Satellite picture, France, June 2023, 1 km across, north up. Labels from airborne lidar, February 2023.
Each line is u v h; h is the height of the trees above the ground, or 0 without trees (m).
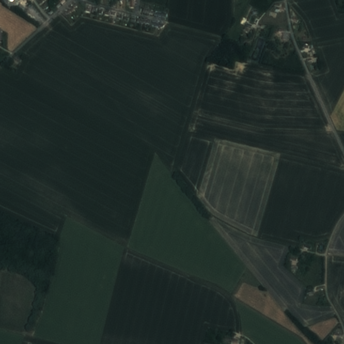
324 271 9
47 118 0
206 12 0
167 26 0
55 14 0
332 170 0
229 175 0
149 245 0
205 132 0
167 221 0
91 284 0
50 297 0
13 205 0
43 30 0
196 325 0
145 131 0
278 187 0
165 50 0
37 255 25
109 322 0
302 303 0
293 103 0
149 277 0
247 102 0
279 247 0
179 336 0
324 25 0
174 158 0
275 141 0
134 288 0
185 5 0
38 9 0
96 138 0
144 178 0
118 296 0
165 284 0
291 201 0
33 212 0
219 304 0
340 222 0
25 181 0
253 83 0
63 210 0
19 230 22
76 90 0
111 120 0
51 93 0
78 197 0
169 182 0
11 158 0
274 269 0
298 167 0
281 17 0
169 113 0
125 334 0
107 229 0
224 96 0
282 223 0
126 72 0
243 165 0
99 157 0
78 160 0
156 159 0
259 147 0
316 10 0
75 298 0
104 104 0
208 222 0
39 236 21
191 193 12
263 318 0
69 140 0
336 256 0
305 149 0
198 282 0
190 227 0
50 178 0
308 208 0
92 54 0
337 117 0
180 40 0
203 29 0
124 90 0
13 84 0
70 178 0
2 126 0
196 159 0
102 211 0
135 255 0
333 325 0
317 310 0
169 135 0
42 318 0
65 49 0
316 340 12
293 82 0
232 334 10
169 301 0
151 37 0
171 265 0
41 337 0
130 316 0
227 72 0
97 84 0
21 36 0
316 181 0
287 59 0
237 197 0
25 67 0
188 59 0
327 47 0
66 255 0
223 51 11
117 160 0
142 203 0
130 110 0
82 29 0
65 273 0
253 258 0
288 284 0
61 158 0
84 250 0
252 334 0
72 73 0
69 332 0
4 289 0
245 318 0
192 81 0
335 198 0
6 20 0
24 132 0
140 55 0
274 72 0
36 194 0
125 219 0
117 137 0
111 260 0
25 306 0
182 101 0
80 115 0
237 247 0
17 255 22
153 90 0
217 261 0
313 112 0
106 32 0
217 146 0
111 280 0
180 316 0
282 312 0
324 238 0
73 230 0
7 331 0
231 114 0
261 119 0
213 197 0
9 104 0
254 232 0
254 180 0
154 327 0
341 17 0
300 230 0
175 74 0
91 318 0
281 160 0
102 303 0
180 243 0
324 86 0
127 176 0
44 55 0
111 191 0
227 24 0
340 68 0
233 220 0
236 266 0
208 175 0
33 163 0
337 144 0
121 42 0
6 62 16
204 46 0
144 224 0
